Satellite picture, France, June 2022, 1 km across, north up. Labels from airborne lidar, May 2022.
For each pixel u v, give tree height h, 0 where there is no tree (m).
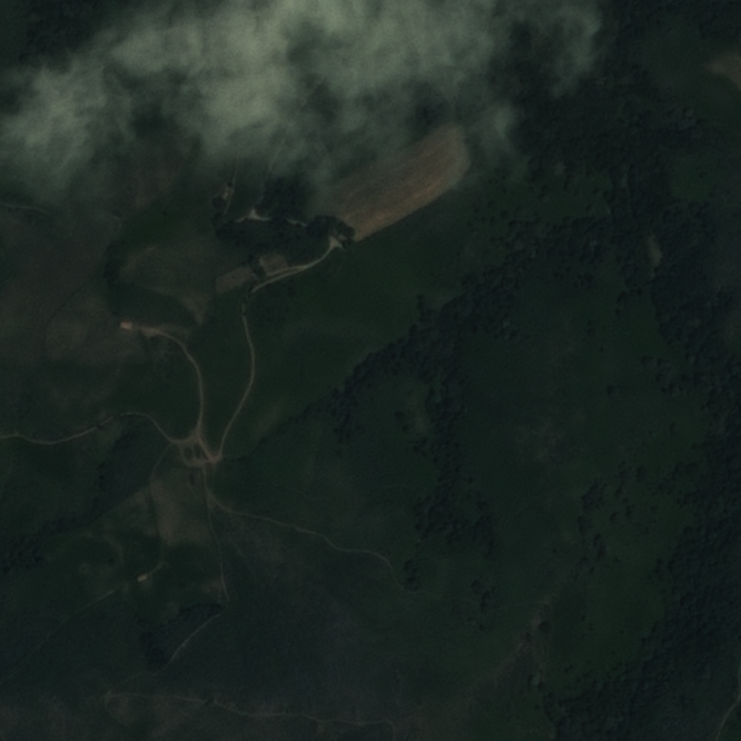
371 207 0
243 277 0
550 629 15
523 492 0
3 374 0
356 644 0
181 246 0
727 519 13
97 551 0
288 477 0
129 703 0
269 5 0
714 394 16
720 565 8
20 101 11
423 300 13
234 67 0
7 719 0
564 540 0
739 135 0
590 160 13
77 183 0
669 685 7
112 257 10
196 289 0
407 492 0
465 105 12
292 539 0
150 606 0
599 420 0
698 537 7
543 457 0
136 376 0
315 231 14
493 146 13
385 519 0
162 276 0
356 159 0
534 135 12
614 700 13
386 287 0
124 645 0
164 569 0
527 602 0
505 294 8
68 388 0
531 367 0
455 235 0
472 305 21
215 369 0
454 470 11
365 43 0
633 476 15
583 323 0
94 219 0
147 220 0
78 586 0
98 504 8
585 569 10
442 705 0
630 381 0
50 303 0
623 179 21
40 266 0
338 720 0
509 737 0
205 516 0
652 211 16
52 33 30
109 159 0
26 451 0
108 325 0
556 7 20
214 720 0
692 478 6
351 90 7
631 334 0
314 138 20
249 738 0
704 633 11
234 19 0
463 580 0
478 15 18
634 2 28
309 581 0
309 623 0
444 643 0
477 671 0
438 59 21
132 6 12
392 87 22
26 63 14
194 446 0
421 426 0
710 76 0
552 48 17
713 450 11
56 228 0
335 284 0
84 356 0
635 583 0
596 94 25
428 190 0
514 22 13
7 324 0
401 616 0
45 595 0
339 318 0
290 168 20
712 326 10
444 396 12
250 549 0
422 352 17
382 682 0
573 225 9
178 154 0
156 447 0
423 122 11
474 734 0
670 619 10
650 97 10
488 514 8
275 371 0
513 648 0
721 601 8
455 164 0
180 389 0
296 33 0
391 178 0
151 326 0
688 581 12
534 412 0
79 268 0
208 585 0
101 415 0
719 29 13
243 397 0
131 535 0
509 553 0
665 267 8
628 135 19
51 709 0
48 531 12
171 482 0
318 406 7
